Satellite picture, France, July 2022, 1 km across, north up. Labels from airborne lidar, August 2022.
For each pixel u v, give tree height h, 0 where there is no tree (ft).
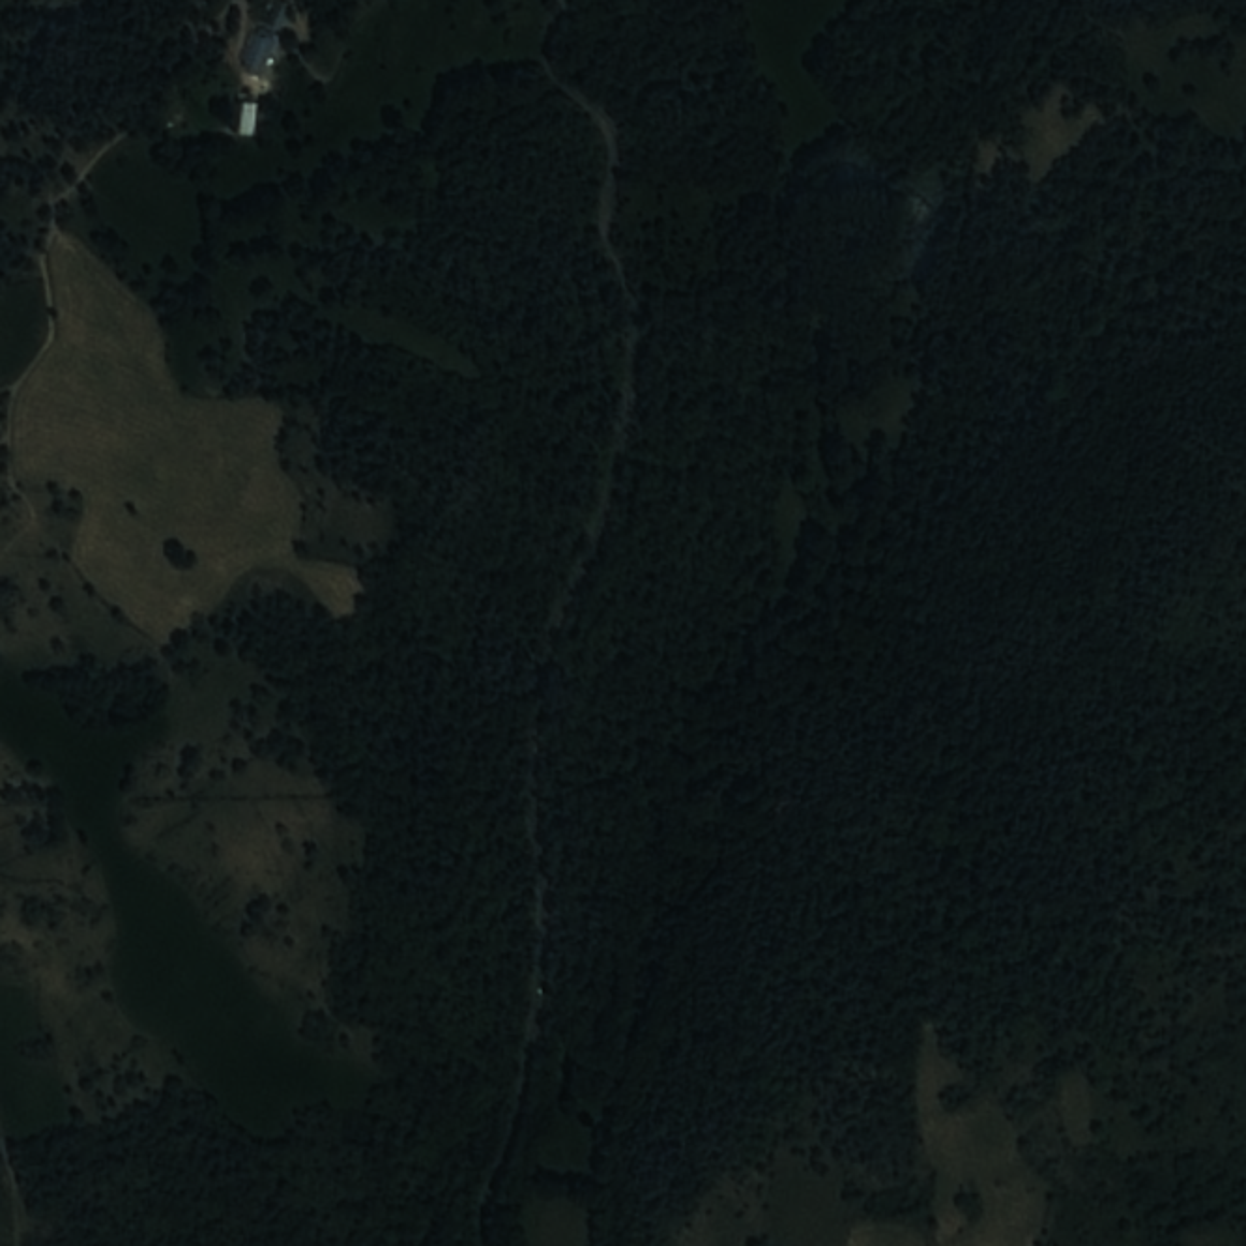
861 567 65
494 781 59
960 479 52
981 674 57
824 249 131
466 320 36
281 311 21
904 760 61
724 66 66
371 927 35
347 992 31
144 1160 20
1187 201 42
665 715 67
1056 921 24
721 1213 0
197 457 0
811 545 70
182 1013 0
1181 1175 32
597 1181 50
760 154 67
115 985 0
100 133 38
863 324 135
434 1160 53
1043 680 30
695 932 77
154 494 0
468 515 44
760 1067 46
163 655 27
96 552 0
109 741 0
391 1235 21
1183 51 25
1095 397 53
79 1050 0
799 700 43
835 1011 17
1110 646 28
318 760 29
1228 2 48
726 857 67
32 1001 0
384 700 71
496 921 61
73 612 0
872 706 46
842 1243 0
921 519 63
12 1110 0
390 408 31
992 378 36
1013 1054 20
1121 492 30
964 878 78
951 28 67
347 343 44
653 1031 96
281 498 0
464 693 67
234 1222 27
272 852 0
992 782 49
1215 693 37
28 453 0
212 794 0
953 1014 43
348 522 0
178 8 37
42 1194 28
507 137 45
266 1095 0
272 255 51
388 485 38
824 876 47
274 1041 0
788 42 0
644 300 20
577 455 65
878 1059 28
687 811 100
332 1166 24
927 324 30
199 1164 31
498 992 39
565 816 96
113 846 0
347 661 35
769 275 83
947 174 43
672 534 64
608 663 72
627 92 58
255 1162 35
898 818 29
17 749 0
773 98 74
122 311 0
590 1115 0
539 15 0
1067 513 37
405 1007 31
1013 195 45
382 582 37
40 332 0
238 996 0
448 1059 54
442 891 56
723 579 66
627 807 63
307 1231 35
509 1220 77
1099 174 26
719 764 48
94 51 48
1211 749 51
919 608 62
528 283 79
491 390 25
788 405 76
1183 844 24
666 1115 52
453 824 65
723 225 34
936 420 25
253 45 0
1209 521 37
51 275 0
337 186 71
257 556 0
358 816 37
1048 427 68
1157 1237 21
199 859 0
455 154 45
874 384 70
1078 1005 32
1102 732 44
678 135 34
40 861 0
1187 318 27
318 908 0
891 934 31
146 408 0
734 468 67
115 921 0
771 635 68
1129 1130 0
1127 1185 20
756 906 45
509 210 43
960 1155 0
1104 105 35
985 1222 0
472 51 0
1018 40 33
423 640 49
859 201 127
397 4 52
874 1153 38
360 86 0
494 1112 60
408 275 40
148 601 0
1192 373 38
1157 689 24
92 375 0
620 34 76
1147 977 0
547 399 63
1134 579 27
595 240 77
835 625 52
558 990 68
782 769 53
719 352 64
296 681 42
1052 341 53
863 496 89
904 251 101
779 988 50
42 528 0
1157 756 21
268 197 66
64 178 37
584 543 77
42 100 46
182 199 0
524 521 53
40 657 0
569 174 37
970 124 58
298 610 45
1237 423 40
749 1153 36
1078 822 34
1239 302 59
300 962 0
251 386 50
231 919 0
